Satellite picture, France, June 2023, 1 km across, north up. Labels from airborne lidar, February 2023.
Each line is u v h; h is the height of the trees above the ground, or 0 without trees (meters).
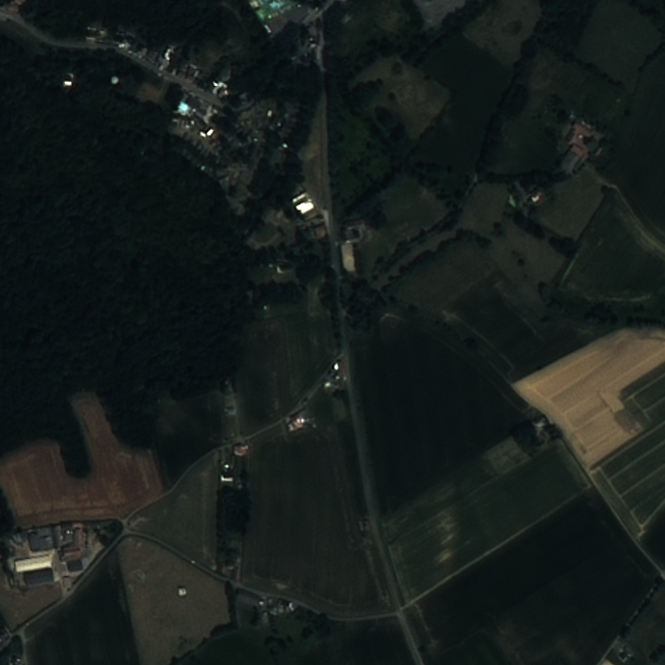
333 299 9
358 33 0
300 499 0
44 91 20
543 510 0
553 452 0
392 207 0
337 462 0
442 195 10
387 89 0
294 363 0
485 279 0
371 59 11
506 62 0
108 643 0
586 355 0
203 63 0
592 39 0
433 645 0
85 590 0
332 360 0
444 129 0
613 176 0
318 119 0
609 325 8
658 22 19
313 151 0
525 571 0
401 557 0
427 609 0
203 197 25
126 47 0
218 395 0
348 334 0
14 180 26
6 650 8
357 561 0
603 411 0
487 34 0
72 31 21
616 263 0
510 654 0
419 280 0
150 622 0
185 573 0
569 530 0
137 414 24
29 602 0
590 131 0
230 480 0
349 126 0
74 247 23
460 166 0
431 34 7
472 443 0
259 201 8
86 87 21
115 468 0
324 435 0
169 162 21
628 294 0
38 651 0
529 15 0
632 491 0
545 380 0
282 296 18
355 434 0
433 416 0
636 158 0
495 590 0
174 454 0
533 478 0
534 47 13
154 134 24
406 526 0
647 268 0
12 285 19
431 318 0
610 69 0
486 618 0
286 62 19
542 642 0
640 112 0
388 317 0
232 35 0
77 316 28
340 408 0
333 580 0
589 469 0
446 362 0
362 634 0
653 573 0
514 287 0
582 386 0
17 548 0
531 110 0
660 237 0
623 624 0
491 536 0
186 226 25
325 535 0
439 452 0
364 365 0
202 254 26
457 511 0
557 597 0
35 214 28
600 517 0
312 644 0
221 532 12
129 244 26
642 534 0
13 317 25
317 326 0
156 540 0
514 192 11
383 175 0
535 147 0
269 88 19
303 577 0
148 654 0
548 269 0
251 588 0
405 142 20
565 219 0
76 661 0
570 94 0
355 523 0
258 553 0
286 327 0
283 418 0
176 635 0
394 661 0
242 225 20
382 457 0
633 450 0
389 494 0
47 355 19
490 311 0
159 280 25
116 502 0
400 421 0
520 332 0
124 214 22
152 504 0
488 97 0
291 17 0
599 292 0
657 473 0
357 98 21
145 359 27
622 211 0
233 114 20
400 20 0
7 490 0
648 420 0
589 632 0
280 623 0
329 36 15
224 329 23
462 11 12
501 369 0
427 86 0
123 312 23
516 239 0
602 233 0
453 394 0
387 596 0
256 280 0
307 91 23
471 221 0
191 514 0
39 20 16
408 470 0
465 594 0
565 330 0
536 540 0
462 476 0
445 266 0
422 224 0
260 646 0
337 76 17
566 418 0
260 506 0
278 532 0
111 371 23
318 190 0
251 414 0
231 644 0
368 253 0
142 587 0
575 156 0
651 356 0
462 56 0
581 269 0
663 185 0
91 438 0
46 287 25
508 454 0
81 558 0
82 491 0
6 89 23
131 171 18
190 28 16
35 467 0
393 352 0
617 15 0
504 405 0
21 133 23
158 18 21
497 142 9
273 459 0
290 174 23
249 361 0
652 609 0
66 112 23
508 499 0
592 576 0
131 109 21
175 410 0
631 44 0
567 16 17
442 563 0
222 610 0
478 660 0
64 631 0
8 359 24
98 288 27
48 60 14
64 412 23
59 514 0
